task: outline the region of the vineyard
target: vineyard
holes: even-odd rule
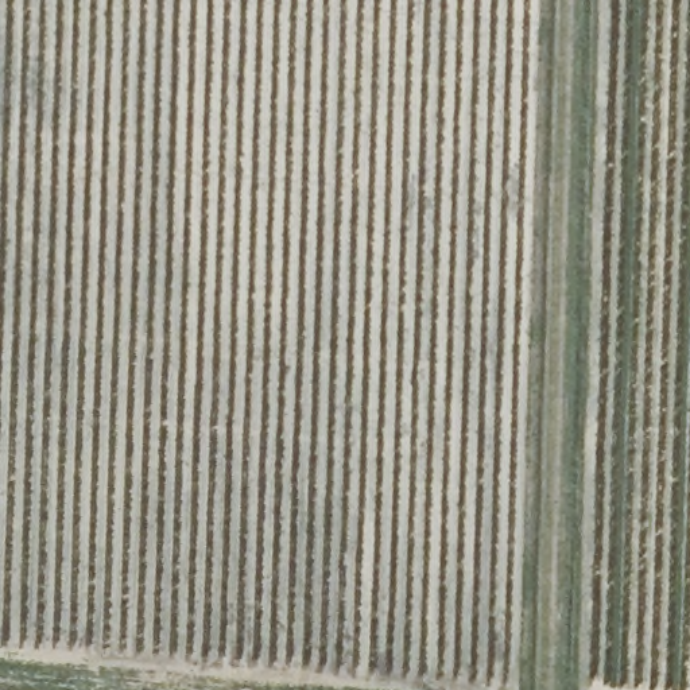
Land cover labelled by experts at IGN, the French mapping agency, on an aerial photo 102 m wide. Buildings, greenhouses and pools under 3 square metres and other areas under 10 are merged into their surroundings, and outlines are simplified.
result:
[[[84,666],[89,671],[137,671],[156,671],[159,682],[181,682],[183,674],[259,682],[259,690],[690,690],[690,0],[598,0],[588,404],[582,472],[579,687],[558,687],[555,666],[563,606],[558,596],[558,566],[561,542],[566,539],[566,272],[574,140],[571,105],[577,0],[0,0],[0,658],[22,663],[67,663]]]

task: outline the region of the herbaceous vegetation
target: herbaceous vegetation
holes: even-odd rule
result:
[[[183,674],[181,682],[159,682],[156,671],[137,671],[137,677],[127,682],[129,690],[259,690],[259,682]]]
[[[561,542],[558,566],[558,596],[563,606],[555,666],[558,687],[579,687],[582,472],[588,404],[598,0],[577,0],[571,105],[574,140],[566,272],[566,539]]]

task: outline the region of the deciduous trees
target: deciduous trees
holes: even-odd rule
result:
[[[137,671],[89,671],[84,666],[67,663],[22,663],[0,658],[0,690],[129,690],[127,682],[137,677]]]

